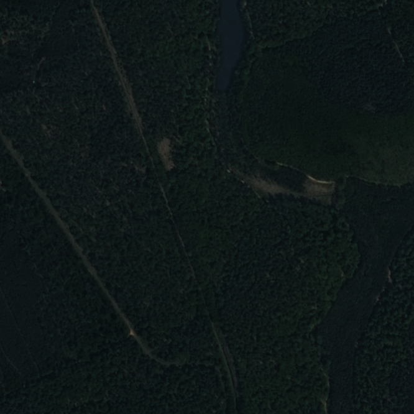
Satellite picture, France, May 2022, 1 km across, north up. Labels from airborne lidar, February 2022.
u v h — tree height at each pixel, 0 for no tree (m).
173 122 30
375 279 14
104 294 10
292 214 30
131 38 27
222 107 18
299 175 17
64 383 28
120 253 27
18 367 16
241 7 19
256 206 28
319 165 12
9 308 15
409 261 24
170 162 0
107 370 28
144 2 33
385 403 31
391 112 18
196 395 29
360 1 24
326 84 28
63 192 30
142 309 28
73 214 27
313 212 32
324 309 29
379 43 24
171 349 29
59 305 11
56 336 13
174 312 27
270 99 13
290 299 29
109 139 31
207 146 24
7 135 25
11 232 14
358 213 18
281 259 26
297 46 25
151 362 29
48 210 7
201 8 25
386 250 15
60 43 7
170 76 32
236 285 31
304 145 14
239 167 17
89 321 21
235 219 30
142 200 29
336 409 17
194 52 29
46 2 7
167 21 29
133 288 29
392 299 31
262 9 29
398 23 29
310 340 29
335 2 26
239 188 32
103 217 30
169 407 30
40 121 28
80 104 30
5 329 14
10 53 7
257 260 28
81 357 29
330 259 27
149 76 28
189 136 24
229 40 0
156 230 31
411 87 26
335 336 19
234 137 14
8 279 14
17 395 26
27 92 27
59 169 26
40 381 26
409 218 20
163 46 28
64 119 30
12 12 21
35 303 10
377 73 27
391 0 26
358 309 20
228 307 28
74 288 11
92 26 32
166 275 29
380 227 15
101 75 31
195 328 34
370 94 25
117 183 30
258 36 19
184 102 25
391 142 12
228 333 25
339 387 21
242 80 24
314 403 27
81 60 28
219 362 18
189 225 25
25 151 29
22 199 12
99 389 27
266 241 31
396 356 30
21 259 13
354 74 31
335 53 22
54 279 10
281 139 13
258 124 10
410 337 13
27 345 16
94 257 27
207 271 28
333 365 20
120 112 28
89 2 9
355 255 23
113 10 28
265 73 12
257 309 28
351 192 14
